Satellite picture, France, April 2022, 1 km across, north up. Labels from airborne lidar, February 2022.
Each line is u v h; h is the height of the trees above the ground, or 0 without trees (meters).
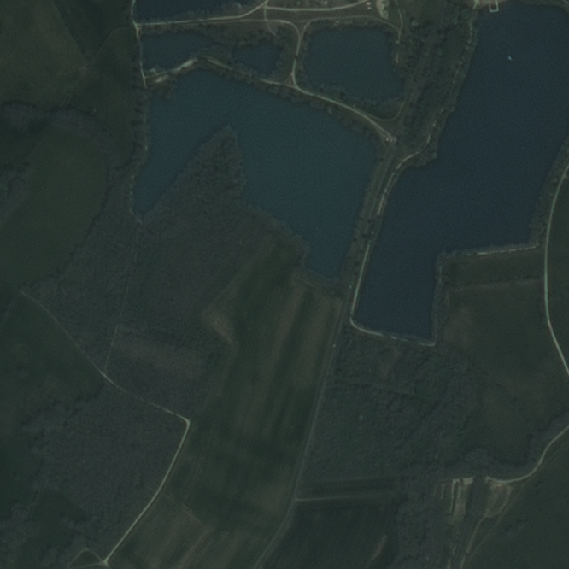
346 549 0
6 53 0
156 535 0
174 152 0
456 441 21
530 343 0
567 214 0
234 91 0
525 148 0
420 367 9
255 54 0
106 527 20
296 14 0
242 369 0
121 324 18
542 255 0
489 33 0
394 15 0
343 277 8
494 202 0
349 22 0
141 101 14
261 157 0
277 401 0
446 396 18
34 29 0
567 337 0
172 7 0
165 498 0
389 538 0
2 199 24
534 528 0
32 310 0
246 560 0
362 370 6
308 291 0
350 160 0
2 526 21
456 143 0
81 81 0
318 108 11
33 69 0
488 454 17
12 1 0
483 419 0
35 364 0
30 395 0
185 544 0
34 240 0
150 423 16
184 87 0
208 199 23
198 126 0
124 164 0
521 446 0
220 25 0
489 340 0
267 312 0
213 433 0
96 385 0
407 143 10
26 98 0
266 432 0
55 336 0
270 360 0
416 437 17
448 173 0
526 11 0
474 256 6
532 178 0
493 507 0
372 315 0
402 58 0
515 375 0
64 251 0
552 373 0
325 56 0
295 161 0
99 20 0
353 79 0
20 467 0
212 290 7
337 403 7
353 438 6
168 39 0
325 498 0
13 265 0
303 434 0
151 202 0
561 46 0
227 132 20
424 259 0
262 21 0
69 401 0
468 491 0
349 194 0
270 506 0
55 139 0
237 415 0
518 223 0
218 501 0
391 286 0
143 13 0
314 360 0
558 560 0
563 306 0
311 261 0
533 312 0
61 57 0
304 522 0
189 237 16
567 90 0
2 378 0
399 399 11
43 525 0
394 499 0
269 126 0
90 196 0
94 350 15
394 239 0
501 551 0
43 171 0
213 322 0
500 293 0
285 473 0
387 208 0
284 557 0
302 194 0
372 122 0
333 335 0
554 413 0
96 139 23
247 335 0
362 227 0
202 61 17
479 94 0
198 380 16
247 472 0
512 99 0
